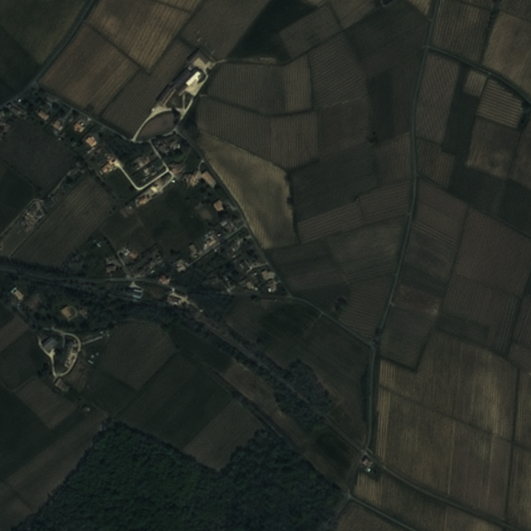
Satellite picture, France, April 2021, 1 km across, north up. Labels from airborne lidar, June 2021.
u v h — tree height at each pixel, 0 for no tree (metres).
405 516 0
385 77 0
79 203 0
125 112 0
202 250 0
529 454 0
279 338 0
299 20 0
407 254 0
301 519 22
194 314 6
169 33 0
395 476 0
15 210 0
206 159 0
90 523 23
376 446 0
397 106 0
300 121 0
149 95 0
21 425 0
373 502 0
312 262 0
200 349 0
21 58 0
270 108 0
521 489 0
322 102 0
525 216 0
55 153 0
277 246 0
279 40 0
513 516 0
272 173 0
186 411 0
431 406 0
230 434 0
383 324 0
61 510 16
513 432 0
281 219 0
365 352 0
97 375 0
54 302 15
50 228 0
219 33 0
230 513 18
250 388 0
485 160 0
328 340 0
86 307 15
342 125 0
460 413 0
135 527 19
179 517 23
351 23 0
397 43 0
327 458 0
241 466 14
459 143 0
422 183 0
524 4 0
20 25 0
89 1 0
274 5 0
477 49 0
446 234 0
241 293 0
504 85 0
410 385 0
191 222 0
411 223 0
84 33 0
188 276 16
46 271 13
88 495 20
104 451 19
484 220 0
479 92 0
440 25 0
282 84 0
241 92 0
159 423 0
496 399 0
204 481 18
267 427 13
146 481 23
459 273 0
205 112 0
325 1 0
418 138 0
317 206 0
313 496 18
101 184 12
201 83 0
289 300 0
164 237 0
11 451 0
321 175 0
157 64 0
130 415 0
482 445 0
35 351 0
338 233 0
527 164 0
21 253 0
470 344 0
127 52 0
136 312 18
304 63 0
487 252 0
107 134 0
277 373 19
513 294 0
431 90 0
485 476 0
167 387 0
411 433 0
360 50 0
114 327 16
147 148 17
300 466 16
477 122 0
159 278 11
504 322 0
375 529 0
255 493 19
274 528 18
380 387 0
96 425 0
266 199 0
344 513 0
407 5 0
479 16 0
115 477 21
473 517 0
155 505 26
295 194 0
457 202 0
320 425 20
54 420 0
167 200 0
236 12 0
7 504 0
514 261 0
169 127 0
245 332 0
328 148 0
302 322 0
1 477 0
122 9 0
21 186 0
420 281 0
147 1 0
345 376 0
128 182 0
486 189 0
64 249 0
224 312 13
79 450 0
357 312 0
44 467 0
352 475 0
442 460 0
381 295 0
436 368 0
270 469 21
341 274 0
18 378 0
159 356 0
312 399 14
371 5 0
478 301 0
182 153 15
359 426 0
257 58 0
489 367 0
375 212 0
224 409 0
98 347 0
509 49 0
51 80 0
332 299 0
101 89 0
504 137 0
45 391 0
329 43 0
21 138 0
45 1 0
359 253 0
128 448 20
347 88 0
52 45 0
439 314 0
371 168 0
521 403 0
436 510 0
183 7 0
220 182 0
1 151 0
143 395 0
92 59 0
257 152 0
